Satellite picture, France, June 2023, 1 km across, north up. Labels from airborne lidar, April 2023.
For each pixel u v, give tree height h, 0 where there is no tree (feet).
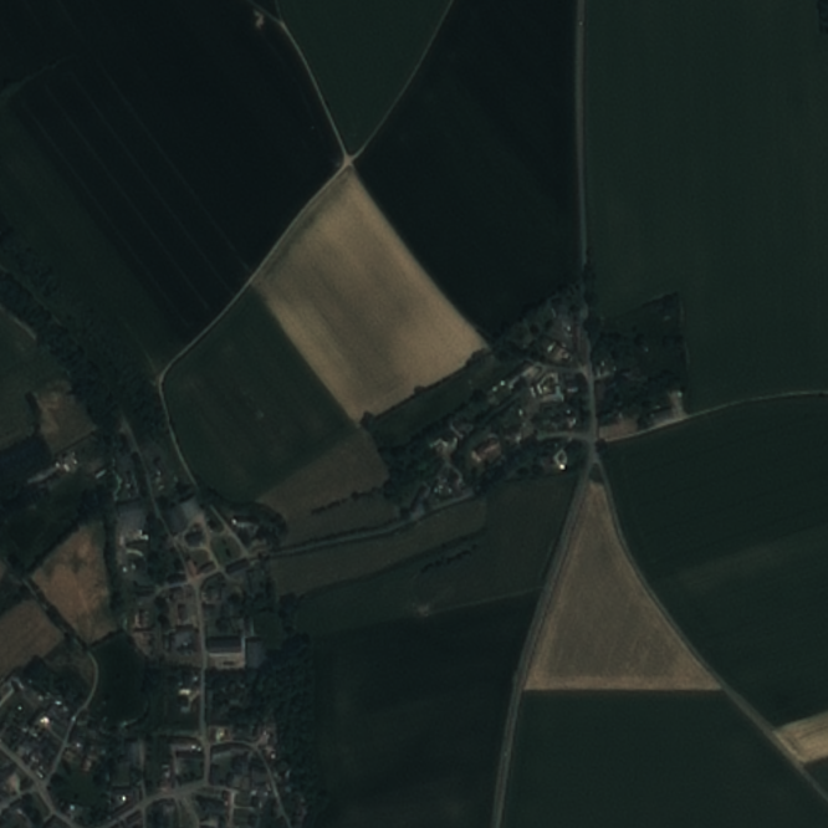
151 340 0
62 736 0
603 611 0
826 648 0
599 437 0
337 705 0
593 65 0
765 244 0
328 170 0
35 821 56
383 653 0
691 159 0
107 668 0
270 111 0
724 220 0
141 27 0
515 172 0
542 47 0
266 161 0
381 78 0
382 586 0
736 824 0
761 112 0
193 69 0
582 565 0
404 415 0
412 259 0
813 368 0
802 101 0
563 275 0
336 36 0
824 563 0
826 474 0
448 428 38
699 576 0
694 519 0
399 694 0
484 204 0
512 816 0
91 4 0
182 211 0
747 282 0
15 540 0
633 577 0
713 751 0
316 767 38
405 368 0
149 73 0
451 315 0
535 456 38
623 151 0
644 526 0
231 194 0
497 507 0
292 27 0
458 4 0
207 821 0
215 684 53
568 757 0
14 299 65
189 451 0
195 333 0
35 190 0
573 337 0
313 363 0
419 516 0
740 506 0
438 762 0
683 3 0
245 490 0
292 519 0
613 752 0
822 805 0
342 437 0
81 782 0
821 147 0
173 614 0
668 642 0
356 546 0
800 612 0
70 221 0
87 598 0
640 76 0
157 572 48
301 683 52
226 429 0
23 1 0
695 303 0
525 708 0
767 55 0
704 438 0
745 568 0
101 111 0
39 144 0
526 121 0
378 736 0
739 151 0
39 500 0
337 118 0
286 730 37
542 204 0
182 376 0
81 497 0
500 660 0
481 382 0
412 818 0
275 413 0
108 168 0
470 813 0
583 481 0
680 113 0
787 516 0
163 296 0
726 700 0
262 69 0
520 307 0
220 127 0
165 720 0
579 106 0
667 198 0
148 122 0
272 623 0
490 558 0
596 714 0
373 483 0
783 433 0
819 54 0
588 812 0
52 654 0
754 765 0
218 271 0
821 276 0
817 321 0
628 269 0
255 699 45
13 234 32
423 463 43
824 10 51
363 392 0
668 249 0
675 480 0
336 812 0
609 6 0
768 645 0
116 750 21
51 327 24
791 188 0
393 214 0
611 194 0
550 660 0
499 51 0
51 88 0
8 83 32
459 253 0
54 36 0
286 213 0
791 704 0
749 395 0
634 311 0
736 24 0
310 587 0
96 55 0
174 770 0
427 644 0
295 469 0
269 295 0
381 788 0
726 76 0
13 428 0
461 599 0
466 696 0
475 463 0
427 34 0
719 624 0
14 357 0
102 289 0
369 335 0
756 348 0
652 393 31
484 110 0
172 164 0
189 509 0
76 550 0
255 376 0
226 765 0
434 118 0
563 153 0
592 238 0
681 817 0
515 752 0
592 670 0
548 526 0
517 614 0
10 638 0
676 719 0
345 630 0
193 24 0
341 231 0
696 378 0
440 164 0
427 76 0
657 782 0
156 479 0
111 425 62
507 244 0
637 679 0
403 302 0
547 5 0
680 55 0
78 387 63
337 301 0
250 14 0
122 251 0
